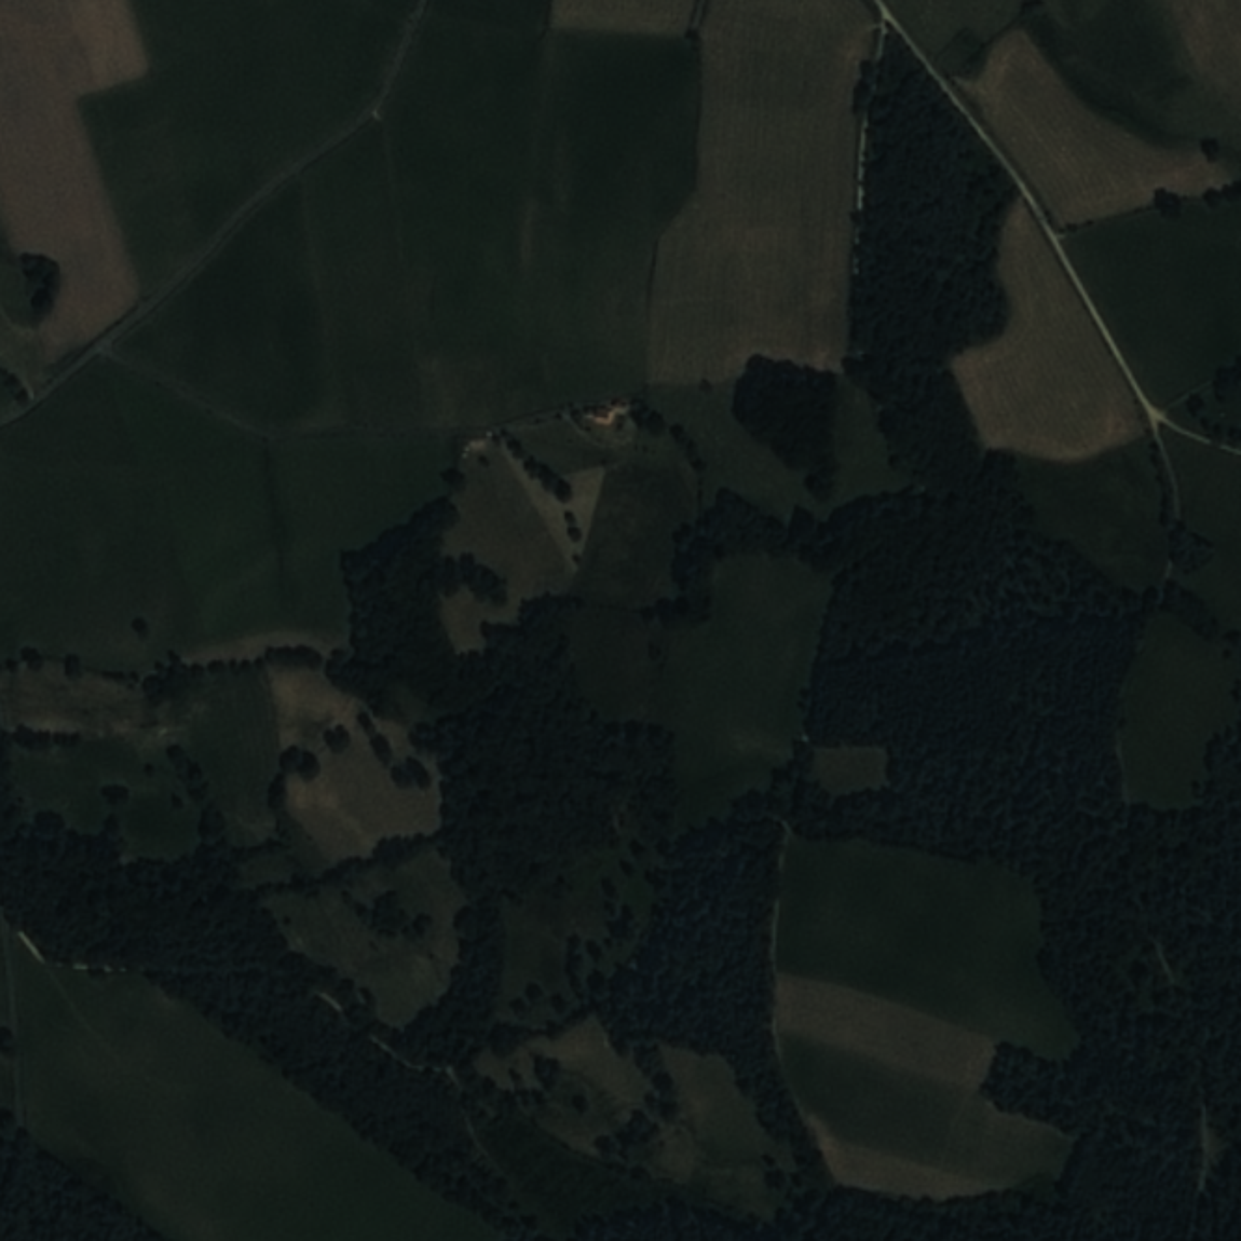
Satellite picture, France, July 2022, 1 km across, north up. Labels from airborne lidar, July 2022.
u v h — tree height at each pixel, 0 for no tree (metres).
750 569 0
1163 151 0
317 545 0
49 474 0
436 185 0
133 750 0
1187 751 0
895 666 23
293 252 0
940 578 14
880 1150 0
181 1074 0
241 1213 0
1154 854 11
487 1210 10
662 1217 21
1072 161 0
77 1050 0
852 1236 9
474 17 0
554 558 0
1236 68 0
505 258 0
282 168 0
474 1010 21
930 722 22
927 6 0
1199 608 17
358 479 0
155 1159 0
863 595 15
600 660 0
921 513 16
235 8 0
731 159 0
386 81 0
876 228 12
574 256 0
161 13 0
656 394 0
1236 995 17
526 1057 0
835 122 0
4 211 0
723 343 0
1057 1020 0
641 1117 15
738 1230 25
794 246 0
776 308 0
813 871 0
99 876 20
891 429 22
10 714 0
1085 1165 17
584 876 0
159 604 0
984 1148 0
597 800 18
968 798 21
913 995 0
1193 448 0
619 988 17
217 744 0
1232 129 0
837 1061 0
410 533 18
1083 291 0
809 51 0
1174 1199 20
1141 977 19
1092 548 0
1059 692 18
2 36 0
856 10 0
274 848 13
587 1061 0
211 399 0
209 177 0
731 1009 30
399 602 29
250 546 0
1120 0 0
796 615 0
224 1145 0
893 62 11
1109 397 0
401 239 0
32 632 0
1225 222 0
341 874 15
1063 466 0
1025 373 0
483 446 0
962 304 13
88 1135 0
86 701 0
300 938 0
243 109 0
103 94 0
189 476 0
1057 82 0
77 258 0
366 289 0
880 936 0
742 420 19
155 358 0
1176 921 23
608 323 0
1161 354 0
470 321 0
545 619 19
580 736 17
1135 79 0
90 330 0
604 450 0
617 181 0
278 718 0
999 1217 10
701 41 6
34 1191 21
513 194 0
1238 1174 17
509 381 0
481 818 20
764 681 0
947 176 17
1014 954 0
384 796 0
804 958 0
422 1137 16
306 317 0
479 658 16
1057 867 9
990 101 0
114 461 0
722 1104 0
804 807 22
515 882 17
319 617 0
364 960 0
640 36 0
